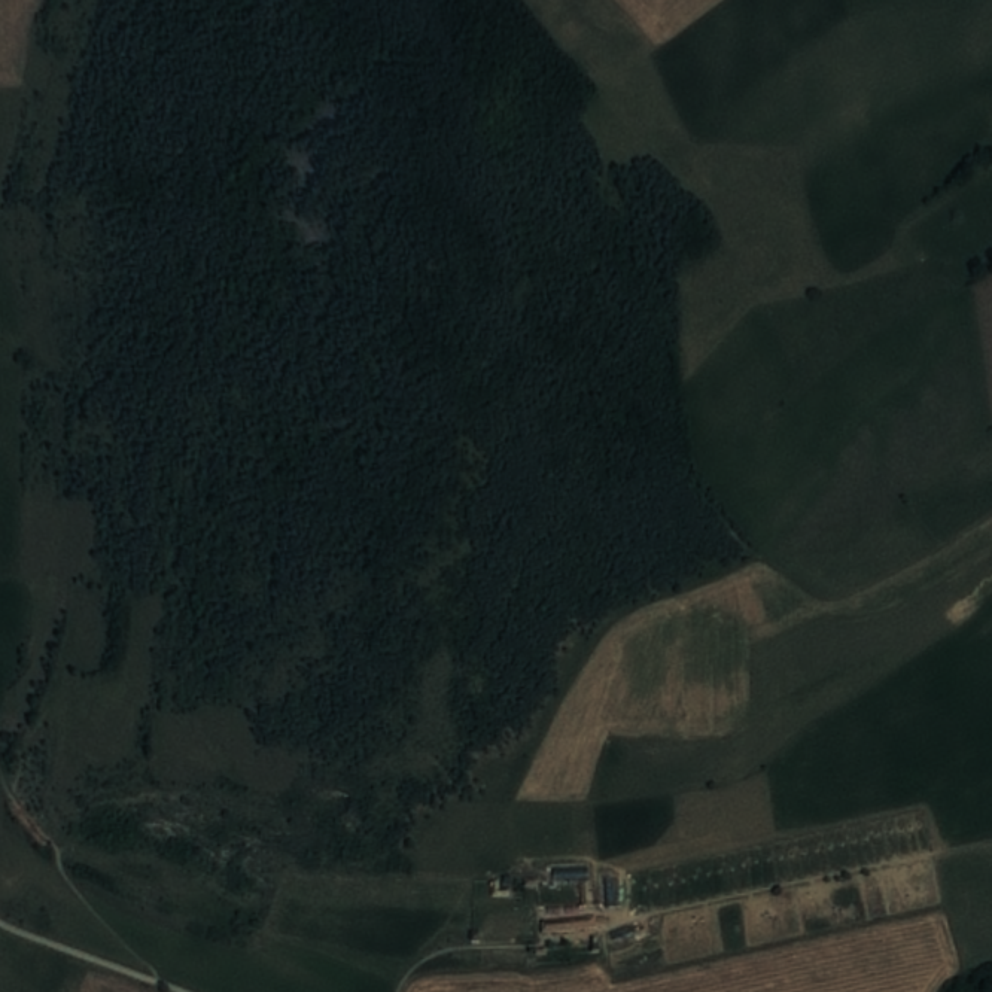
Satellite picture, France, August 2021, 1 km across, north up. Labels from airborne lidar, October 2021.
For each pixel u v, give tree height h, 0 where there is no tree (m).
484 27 22
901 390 0
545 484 15
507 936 0
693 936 0
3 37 0
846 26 0
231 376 12
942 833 0
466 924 0
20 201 7
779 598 0
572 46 0
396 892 0
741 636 0
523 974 0
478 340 15
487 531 13
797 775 0
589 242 11
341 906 0
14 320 0
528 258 8
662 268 11
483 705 6
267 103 13
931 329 0
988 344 0
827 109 0
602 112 0
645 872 0
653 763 0
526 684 11
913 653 0
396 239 10
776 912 0
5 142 0
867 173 0
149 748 9
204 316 13
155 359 14
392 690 6
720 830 0
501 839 0
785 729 0
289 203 10
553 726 0
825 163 0
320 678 7
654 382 21
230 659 8
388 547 6
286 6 13
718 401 0
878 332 0
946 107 0
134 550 11
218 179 11
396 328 9
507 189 15
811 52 0
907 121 0
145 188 7
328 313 8
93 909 0
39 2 0
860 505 0
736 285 0
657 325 15
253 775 0
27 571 0
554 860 0
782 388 0
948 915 0
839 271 0
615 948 0
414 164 10
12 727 0
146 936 0
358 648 12
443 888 0
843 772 0
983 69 0
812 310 0
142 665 0
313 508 10
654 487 16
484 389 15
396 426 11
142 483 12
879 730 0
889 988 0
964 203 0
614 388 15
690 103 0
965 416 0
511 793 0
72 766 0
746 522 0
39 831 0
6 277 0
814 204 0
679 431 18
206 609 8
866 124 0
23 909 0
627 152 0
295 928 0
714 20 0
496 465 11
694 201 14
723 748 0
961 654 0
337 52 9
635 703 0
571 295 19
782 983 0
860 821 0
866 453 0
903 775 0
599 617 11
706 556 11
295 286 10
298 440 8
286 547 8
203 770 0
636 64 0
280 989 0
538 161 15
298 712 9
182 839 8
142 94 11
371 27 12
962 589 0
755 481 0
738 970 0
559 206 20
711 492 11
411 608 9
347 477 9
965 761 0
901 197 0
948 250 0
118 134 8
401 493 11
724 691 0
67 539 0
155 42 9
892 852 0
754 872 0
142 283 11
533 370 18
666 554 16
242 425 7
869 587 0
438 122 9
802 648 0
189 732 0
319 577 8
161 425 12
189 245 15
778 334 0
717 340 0
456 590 7
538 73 14
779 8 0
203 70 11
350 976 0
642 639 0
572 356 18
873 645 0
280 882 0
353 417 12
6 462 0
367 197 8
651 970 0
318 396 14
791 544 0
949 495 0
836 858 0
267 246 10
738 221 0
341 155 15
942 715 0
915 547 0
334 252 13
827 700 0
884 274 0
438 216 9
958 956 0
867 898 0
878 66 0
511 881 12
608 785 0
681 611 0
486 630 12
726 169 0
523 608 11
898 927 0
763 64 0
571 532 14
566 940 12
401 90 9
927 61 0
